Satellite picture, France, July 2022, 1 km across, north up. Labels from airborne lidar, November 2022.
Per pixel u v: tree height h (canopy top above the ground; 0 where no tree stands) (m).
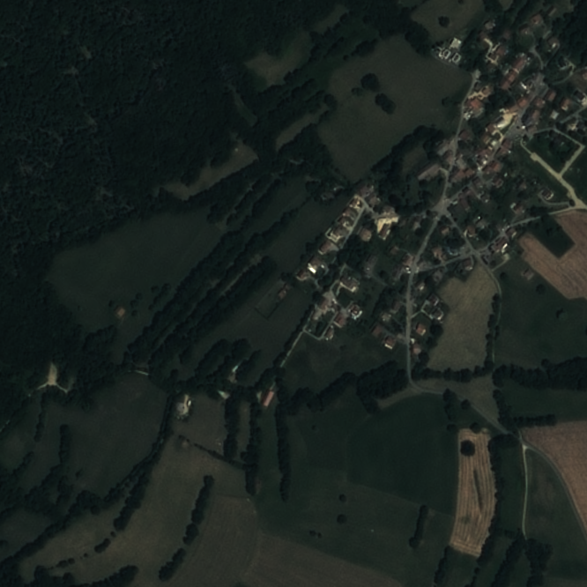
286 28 21
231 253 19
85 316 0
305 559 0
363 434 0
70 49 21
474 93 0
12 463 0
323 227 0
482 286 0
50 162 11
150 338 18
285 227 17
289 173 15
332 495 0
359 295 0
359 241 15
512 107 0
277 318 0
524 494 0
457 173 0
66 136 22
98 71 17
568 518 0
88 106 17
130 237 0
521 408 0
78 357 20
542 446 0
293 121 17
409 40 17
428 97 0
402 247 10
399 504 0
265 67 0
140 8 18
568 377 22
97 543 0
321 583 0
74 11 13
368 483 0
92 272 0
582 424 0
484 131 12
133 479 16
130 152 25
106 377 15
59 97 16
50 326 14
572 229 0
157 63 21
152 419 0
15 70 17
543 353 0
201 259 0
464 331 0
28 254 21
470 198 7
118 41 17
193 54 20
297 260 0
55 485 15
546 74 7
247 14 17
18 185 11
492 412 0
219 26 17
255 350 0
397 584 0
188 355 17
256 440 12
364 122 0
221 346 18
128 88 19
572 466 0
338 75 0
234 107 14
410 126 0
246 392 17
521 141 0
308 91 16
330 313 0
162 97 18
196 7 18
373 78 18
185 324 17
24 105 17
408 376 19
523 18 16
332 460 0
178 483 0
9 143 14
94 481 0
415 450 0
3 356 15
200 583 0
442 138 15
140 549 0
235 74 22
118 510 0
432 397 0
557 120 0
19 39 15
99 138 24
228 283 10
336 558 0
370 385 11
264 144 16
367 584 0
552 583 0
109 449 0
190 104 18
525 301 0
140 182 13
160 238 0
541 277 0
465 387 0
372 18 18
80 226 16
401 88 0
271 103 20
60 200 7
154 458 9
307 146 13
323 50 22
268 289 0
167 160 20
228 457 12
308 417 0
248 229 11
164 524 0
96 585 15
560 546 0
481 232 7
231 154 9
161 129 22
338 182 8
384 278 13
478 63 11
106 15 18
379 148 0
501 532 14
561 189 0
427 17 0
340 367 0
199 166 10
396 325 7
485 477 0
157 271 0
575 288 0
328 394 18
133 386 0
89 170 20
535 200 0
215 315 23
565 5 0
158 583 0
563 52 9
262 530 0
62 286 0
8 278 14
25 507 7
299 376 0
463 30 0
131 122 20
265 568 0
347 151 0
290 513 0
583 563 0
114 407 0
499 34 13
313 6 19
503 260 0
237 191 21
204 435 0
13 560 17
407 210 17
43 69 16
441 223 12
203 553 0
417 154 0
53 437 0
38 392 13
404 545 0
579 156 0
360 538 0
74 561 11
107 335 24
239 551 0
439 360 0
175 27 17
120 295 0
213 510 0
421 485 0
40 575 18
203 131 23
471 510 0
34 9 16
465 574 0
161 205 19
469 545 0
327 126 0
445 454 0
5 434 8
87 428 0
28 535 0
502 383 17
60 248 19
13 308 9
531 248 0
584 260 0
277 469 0
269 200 17
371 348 0
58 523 9
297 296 0
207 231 0
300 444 0
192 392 18
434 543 0
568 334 0
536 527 0
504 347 0
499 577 12
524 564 0
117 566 0
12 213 18
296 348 0
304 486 0
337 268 16
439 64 0
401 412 0
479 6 0
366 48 20
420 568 0
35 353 14
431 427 0
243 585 0
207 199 18
